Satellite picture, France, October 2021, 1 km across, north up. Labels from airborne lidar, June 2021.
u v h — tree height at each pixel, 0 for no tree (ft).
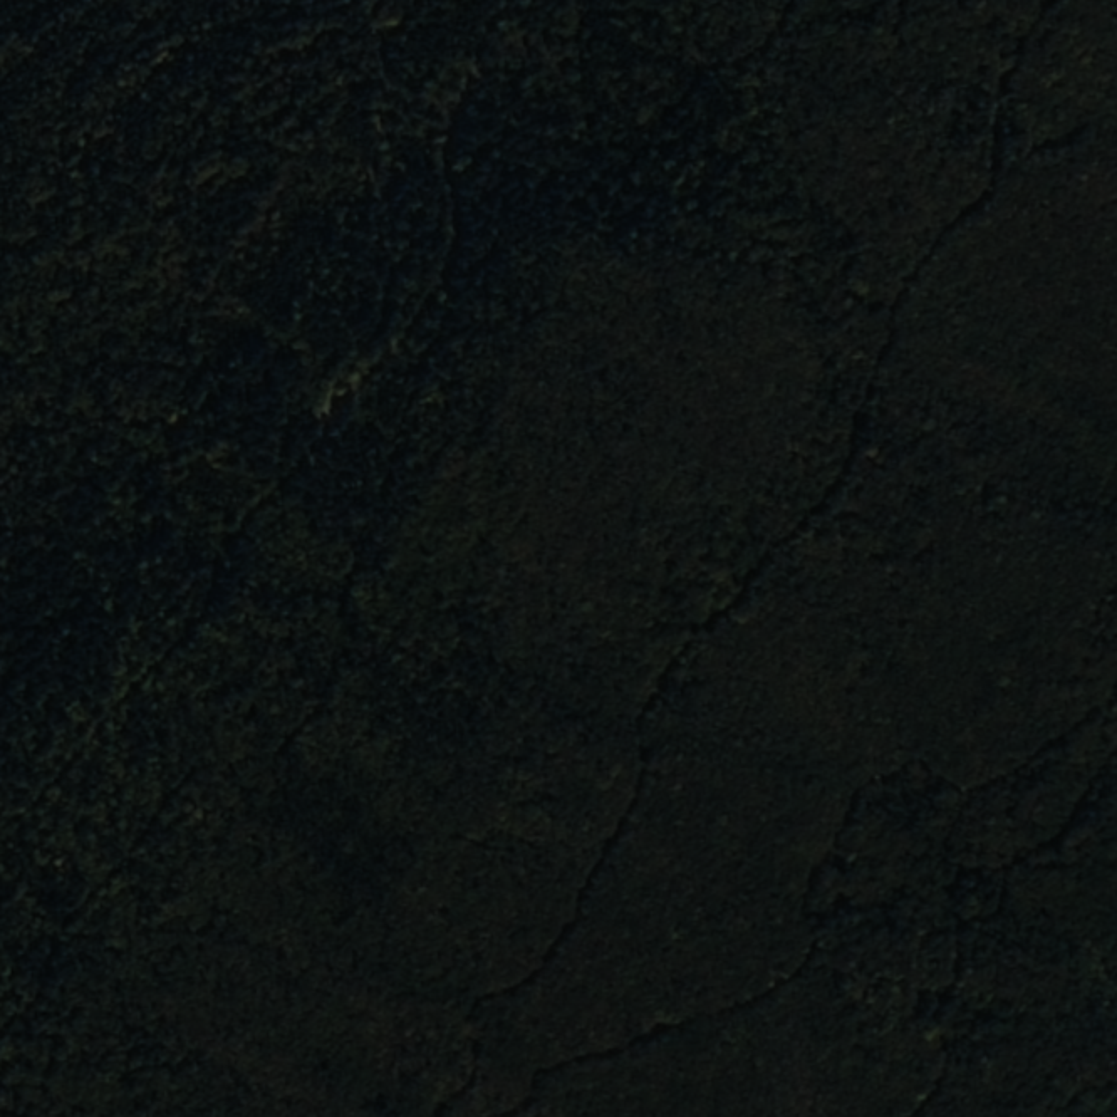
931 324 51
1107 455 91
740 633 60
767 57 58
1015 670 77
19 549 67
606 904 59
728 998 61
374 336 81
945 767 50
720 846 90
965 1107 62
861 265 74
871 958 73
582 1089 69
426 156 37
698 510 56
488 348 61
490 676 70
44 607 85
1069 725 80
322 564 42
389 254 48
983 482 68
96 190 61
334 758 44
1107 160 71
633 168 69
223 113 61
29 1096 56
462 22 52
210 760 43
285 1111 53
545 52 85
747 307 55
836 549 71
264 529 40
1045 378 59
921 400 65
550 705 77
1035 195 64
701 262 76
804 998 52
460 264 61
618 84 60
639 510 56
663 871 56
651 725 66
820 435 52
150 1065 38
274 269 53
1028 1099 84
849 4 64
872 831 76
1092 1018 88
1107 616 79
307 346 49
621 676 60
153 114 57
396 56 84
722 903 76
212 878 37
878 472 66
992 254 53
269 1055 59
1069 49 66
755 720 55
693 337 49
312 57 64
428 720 56
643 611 66
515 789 50
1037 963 85
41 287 60
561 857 48
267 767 54
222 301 62
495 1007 64
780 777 83
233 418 41
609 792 68
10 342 62
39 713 58
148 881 45
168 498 34
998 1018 89
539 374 56
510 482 53
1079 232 69
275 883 74
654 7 31
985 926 72
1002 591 55
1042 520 84
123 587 97
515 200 81
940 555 63
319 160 43
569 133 49
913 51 56
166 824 51
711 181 75
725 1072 72
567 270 53
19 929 44
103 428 72
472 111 63
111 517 31
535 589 57
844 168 53
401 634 53
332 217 50
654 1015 66
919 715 70
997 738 68
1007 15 62
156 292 62
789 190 87
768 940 61
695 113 59
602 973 67
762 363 45
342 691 37
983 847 65
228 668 43
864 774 62
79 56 39
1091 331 66
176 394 64
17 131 53
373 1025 51
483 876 53
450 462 67
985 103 76
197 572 102
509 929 62
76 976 44
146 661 46
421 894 55
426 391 66
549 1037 59
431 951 54
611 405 59
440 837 62
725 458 48
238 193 87
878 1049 74
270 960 52
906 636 71
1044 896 81
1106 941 79
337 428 51
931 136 58
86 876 29
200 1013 58
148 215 59
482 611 67
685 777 74
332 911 47
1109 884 76
